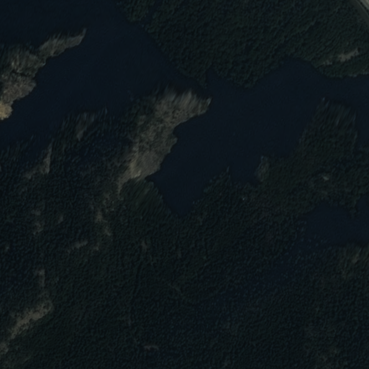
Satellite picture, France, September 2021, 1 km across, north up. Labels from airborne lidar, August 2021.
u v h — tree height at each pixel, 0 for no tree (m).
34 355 16
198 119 10
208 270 20
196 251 14
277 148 11
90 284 10
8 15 11
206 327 18
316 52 10
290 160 10
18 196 13
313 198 12
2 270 21
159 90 8
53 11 6
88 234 16
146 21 13
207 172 8
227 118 18
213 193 16
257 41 13
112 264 12
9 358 8
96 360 12
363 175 15
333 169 11
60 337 17
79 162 12
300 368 16
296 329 20
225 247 21
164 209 17
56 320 17
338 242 12
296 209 7
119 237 20
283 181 12
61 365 7
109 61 7
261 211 23
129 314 15
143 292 14
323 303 13
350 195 12
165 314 16
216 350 11
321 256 10
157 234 17
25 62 8
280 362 14
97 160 10
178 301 10
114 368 21
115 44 7
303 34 7
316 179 6
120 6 10
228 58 16
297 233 15
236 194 23
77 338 13
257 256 10
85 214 10
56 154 17
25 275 12
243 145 27
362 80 8
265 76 9
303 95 14
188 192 9
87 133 9
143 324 12
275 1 12
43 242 12
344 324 21
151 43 18
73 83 0
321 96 15
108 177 7
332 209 13
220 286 12
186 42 18
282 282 8
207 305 10
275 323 18
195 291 13
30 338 9
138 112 6
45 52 7
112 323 20
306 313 16
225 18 7
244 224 24
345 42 8
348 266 9
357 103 9
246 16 10
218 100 13
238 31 22
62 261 18
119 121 29
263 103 15
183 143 16
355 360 23
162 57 14
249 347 10
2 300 10
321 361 11
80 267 21
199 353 13
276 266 15
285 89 17
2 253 7
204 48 19
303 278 13
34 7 8
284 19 7
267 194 18
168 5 11
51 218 13
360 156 12
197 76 17
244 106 10
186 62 16
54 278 7
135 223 20
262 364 21
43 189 12
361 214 19
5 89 9
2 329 7
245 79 12
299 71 10
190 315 10
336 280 13
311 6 9
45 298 6
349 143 6
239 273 11
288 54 13
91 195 10
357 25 7
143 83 8
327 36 6
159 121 6
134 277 13
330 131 12
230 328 9
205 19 16
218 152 10
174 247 19
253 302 8
